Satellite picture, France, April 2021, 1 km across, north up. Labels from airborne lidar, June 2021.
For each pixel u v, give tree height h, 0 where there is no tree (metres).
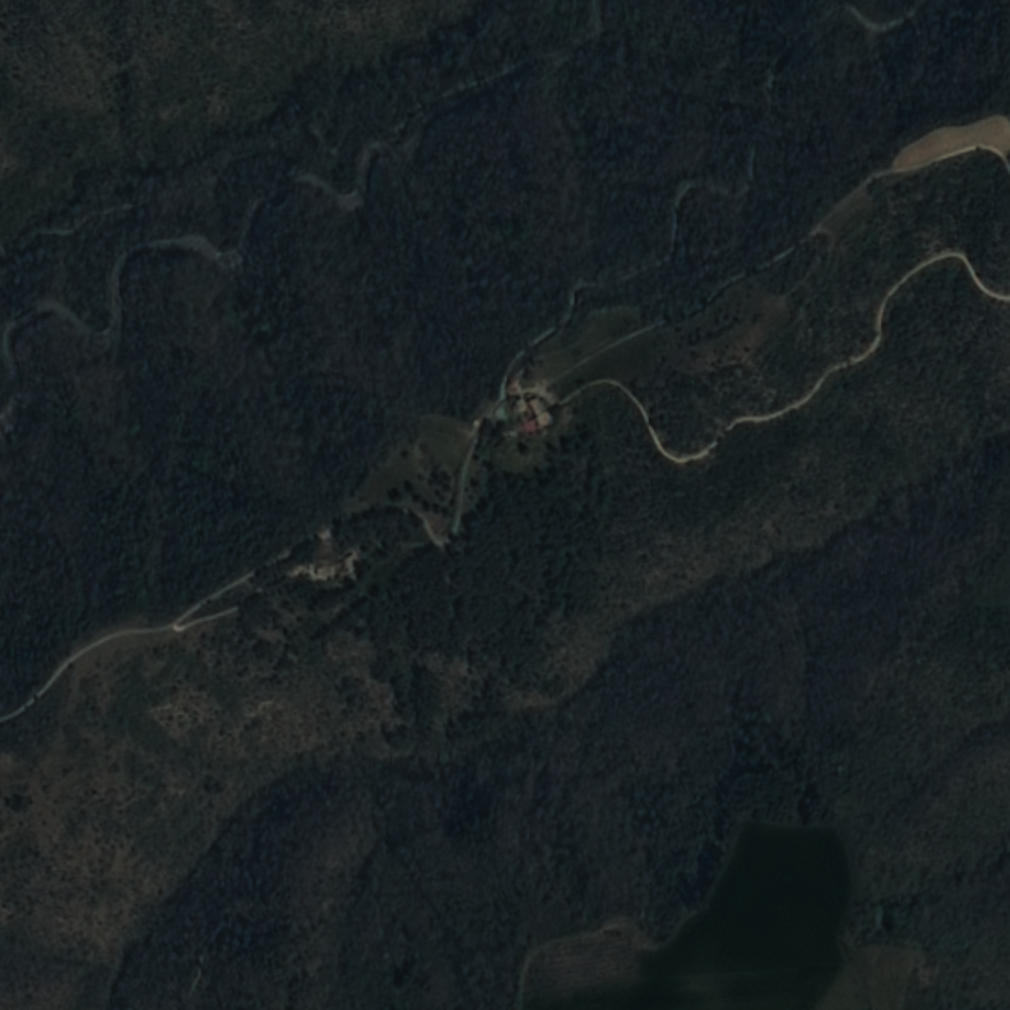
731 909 0
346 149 16
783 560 12
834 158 10
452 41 24
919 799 8
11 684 7
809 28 17
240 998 13
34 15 7
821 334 6
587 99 19
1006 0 5
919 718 6
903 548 12
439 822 13
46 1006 7
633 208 8
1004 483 8
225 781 8
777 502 12
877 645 7
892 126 7
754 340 0
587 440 19
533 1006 0
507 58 12
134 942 9
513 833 16
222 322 21
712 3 13
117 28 6
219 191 16
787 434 7
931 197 7
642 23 11
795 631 8
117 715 9
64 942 6
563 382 0
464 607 18
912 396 8
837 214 0
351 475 10
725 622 15
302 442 14
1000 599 8
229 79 14
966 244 6
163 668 0
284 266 11
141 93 10
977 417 10
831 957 0
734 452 8
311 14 11
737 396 5
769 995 0
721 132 12
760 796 21
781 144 11
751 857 0
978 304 5
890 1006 0
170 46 7
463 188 11
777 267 7
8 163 6
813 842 0
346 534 13
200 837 14
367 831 15
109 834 9
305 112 16
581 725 6
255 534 6
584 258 7
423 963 11
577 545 21
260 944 15
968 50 11
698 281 9
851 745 6
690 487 7
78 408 20
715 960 0
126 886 8
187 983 7
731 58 8
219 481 10
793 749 9
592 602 20
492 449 8
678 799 12
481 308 15
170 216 17
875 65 11
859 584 9
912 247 6
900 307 8
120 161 10
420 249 7
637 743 12
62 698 0
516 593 18
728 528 9
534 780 12
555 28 14
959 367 7
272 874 14
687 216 7
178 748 11
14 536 14
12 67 7
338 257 15
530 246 13
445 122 15
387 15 7
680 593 11
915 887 9
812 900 0
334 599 16
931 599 7
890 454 11
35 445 18
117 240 12
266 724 11
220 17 6
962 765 8
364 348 12
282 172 6
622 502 9
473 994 22
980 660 7
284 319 13
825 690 9
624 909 10
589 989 0
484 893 14
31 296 15
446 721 6
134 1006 15
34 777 0
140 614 0
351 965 14
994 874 9
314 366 14
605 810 13
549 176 15
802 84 10
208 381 12
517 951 14
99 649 0
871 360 8
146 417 17
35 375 11
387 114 28
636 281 12
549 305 19
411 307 17
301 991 10
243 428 11
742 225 15
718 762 7
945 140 0
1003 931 6
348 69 18
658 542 6
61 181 12
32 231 11
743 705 20
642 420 6
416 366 15
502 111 17
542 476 14
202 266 12
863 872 8
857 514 16
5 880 8
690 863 12
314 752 6
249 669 7
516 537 19
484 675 7
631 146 12
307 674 7
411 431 10
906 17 14
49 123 11
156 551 13
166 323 9
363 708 8
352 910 21
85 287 26
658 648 14
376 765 21
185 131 15
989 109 7
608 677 16
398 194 9
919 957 0
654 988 0
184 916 9
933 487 18
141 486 12
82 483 11
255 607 14
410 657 7
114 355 25
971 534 6
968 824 5
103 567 7
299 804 17
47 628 5
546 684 7
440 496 6
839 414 6
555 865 17
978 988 6
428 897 12
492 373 13
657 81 19
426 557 15
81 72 10
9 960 6
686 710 6
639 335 0
